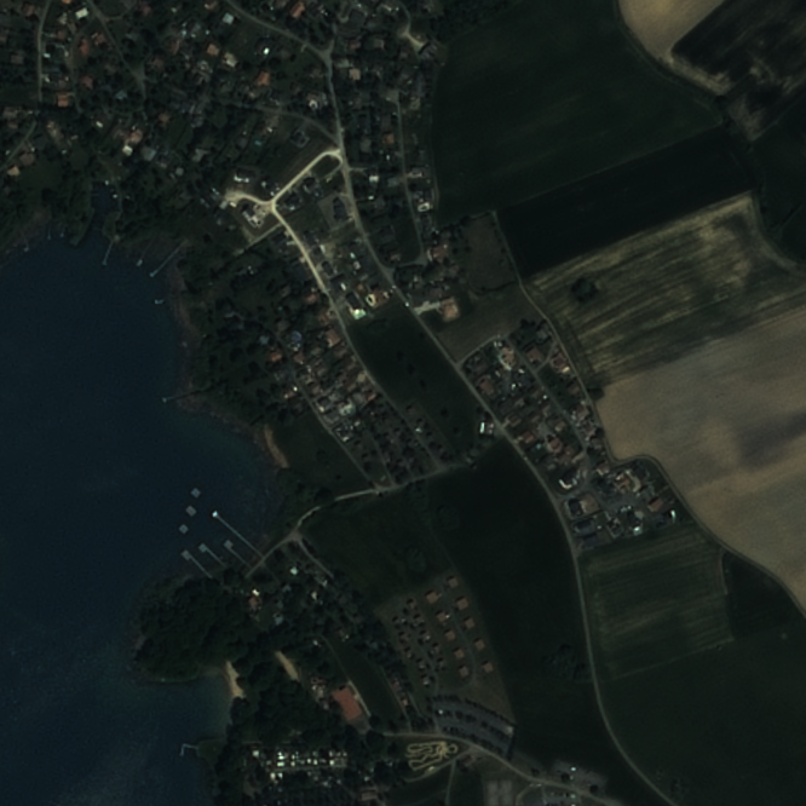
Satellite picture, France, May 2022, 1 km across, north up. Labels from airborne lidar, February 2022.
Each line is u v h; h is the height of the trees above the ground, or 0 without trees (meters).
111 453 0
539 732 0
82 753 0
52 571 0
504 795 0
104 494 0
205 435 0
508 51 0
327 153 0
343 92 16
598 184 0
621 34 0
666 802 0
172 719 0
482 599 0
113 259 0
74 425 0
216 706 0
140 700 0
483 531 0
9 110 0
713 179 0
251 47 0
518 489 0
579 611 0
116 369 0
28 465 0
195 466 0
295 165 0
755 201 0
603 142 0
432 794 0
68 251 0
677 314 0
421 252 0
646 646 0
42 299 0
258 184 0
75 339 0
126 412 0
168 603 8
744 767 0
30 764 0
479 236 0
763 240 0
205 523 0
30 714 0
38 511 0
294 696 15
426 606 0
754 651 0
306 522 6
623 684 0
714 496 0
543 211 0
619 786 0
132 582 0
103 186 0
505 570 0
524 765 0
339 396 0
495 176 0
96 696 0
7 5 0
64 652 0
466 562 0
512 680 0
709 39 0
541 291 0
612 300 0
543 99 0
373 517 0
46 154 9
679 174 0
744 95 0
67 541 0
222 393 6
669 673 0
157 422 0
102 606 0
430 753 0
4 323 0
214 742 0
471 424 0
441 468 0
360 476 0
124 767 0
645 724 0
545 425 0
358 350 0
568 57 0
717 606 0
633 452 0
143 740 0
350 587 15
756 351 0
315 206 0
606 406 0
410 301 0
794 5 0
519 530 0
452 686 0
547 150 0
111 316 0
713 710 0
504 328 0
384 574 0
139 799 0
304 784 18
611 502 0
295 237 0
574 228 0
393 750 13
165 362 0
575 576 0
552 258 0
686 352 0
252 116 8
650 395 0
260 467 0
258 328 12
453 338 0
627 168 0
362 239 0
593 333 0
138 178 18
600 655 0
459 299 0
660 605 0
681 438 0
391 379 0
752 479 0
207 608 19
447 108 0
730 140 0
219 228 0
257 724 19
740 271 0
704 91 0
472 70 0
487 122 0
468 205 0
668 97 0
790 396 0
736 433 0
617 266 0
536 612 0
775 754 0
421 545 0
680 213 0
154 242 0
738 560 0
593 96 0
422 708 0
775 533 0
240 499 0
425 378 0
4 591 0
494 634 0
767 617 0
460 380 0
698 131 0
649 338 0
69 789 0
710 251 0
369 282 0
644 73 0
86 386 0
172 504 0
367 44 15
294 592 12
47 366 0
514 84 0
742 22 0
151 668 13
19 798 0
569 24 0
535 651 0
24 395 0
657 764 0
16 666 0
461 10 12
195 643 21
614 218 0
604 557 0
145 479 0
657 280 0
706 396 0
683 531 0
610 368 0
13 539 0
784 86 0
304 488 14
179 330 0
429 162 0
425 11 13
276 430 0
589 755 0
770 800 0
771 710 0
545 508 0
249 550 0
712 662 0
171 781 0
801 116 0
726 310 0
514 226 0
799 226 0
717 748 0
